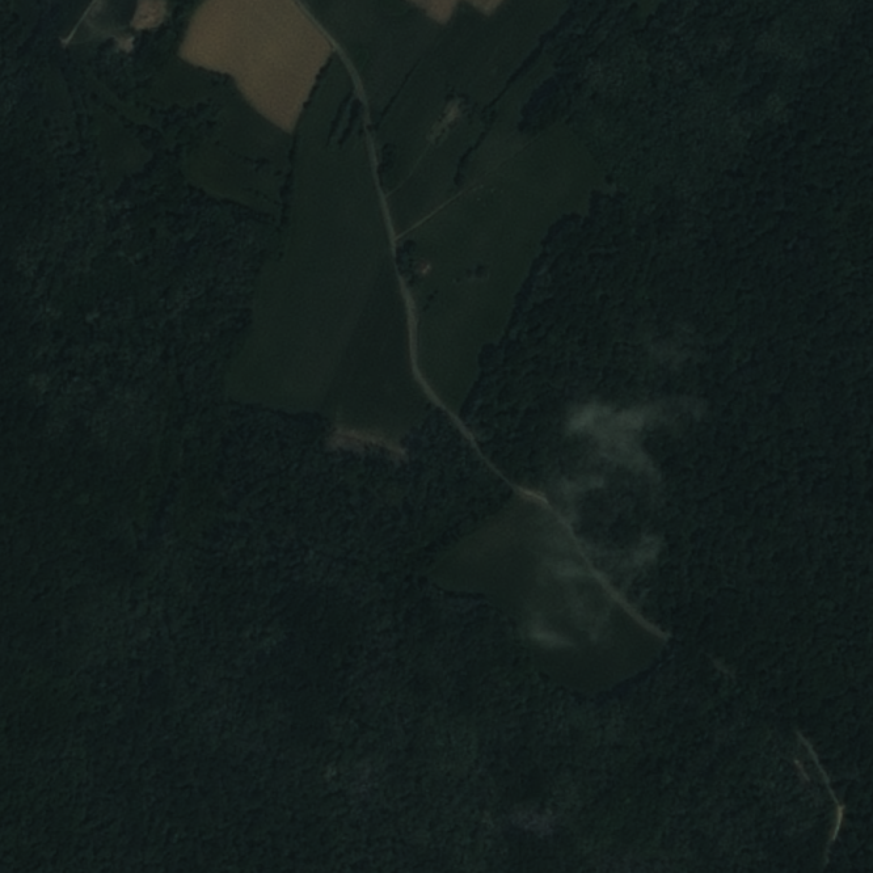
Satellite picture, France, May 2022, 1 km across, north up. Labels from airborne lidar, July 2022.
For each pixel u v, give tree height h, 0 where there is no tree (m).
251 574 27
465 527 21
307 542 27
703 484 22
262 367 0
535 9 0
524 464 18
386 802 17
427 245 0
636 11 17
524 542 0
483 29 0
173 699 25
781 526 17
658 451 21
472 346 0
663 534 13
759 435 21
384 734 19
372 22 0
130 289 13
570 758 17
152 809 19
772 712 22
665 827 17
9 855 15
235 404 18
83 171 17
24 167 18
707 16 25
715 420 18
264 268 20
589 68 25
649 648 0
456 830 19
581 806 18
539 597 0
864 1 16
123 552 26
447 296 0
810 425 16
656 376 17
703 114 21
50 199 19
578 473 22
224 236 26
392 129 0
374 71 0
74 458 26
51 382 22
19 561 22
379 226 0
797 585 25
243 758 19
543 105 22
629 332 20
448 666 20
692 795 17
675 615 22
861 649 15
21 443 23
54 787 13
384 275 0
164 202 27
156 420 25
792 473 19
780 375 21
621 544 23
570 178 0
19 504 23
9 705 12
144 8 0
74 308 13
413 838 15
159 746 19
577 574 0
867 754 21
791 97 20
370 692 27
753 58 25
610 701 20
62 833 16
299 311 0
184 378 19
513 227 0
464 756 21
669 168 20
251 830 20
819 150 19
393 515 23
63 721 10
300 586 26
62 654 20
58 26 11
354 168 0
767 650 25
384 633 18
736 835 17
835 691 16
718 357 19
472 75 0
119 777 18
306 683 23
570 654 0
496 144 0
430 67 0
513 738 18
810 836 20
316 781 16
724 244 22
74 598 25
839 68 19
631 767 20
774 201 22
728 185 19
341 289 0
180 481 17
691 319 19
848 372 19
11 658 17
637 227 19
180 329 23
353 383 0
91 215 23
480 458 23
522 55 0
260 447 26
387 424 0
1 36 16
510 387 21
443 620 21
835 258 17
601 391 22
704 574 20
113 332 11
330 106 0
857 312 16
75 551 20
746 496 20
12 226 20
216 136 17
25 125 20
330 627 29
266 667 26
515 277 0
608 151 19
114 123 0
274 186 0
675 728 25
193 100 0
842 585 17
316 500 25
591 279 20
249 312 20
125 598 21
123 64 16
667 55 24
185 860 22
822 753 18
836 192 10
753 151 21
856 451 21
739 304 20
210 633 27
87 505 22
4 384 21
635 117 18
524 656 22
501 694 21
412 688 21
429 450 27
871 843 22
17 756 16
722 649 24
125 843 15
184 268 25
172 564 22
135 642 24
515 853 21
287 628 26
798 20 17
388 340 0
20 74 15
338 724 21
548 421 17
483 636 21
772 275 22
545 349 18
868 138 21
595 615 0
